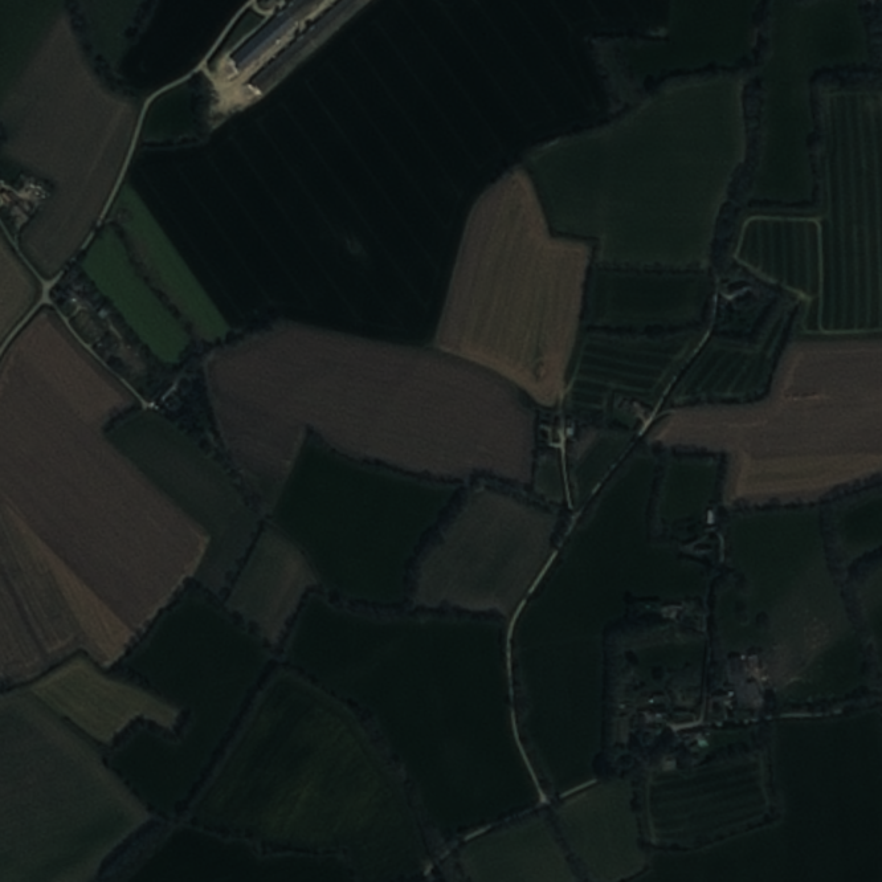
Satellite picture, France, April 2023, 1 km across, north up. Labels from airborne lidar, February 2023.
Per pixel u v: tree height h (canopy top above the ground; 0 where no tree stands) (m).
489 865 0
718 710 9
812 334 0
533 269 0
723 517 13
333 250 0
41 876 0
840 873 0
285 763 0
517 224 0
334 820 0
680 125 0
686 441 0
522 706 16
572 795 0
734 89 0
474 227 0
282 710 0
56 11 0
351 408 0
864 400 0
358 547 0
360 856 0
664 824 0
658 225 0
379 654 0
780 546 0
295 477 0
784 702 0
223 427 0
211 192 0
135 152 0
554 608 0
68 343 0
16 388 0
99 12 0
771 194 0
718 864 0
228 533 0
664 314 0
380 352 0
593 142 0
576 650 0
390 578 0
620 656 12
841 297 0
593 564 0
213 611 11
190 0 0
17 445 0
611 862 0
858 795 0
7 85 0
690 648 0
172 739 11
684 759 18
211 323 0
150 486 0
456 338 0
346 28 0
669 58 0
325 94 0
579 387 0
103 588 0
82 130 0
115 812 0
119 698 0
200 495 0
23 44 0
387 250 0
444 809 0
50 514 0
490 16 0
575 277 0
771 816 14
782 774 0
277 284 0
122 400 0
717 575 13
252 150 0
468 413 0
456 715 0
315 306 0
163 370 10
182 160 0
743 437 0
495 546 0
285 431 0
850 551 0
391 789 0
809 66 0
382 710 0
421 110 0
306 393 0
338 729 0
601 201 0
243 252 0
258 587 0
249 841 11
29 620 0
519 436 0
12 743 0
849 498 15
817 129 10
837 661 0
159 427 0
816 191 9
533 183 0
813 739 0
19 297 0
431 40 0
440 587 0
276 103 0
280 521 0
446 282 0
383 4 0
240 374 0
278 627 0
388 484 0
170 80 0
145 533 0
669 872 0
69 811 0
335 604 15
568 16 0
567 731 0
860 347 0
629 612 9
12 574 0
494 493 14
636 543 0
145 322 0
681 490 0
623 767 15
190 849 0
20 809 0
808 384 0
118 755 0
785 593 0
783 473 0
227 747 12
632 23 0
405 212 0
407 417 0
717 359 0
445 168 0
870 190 0
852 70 13
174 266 0
